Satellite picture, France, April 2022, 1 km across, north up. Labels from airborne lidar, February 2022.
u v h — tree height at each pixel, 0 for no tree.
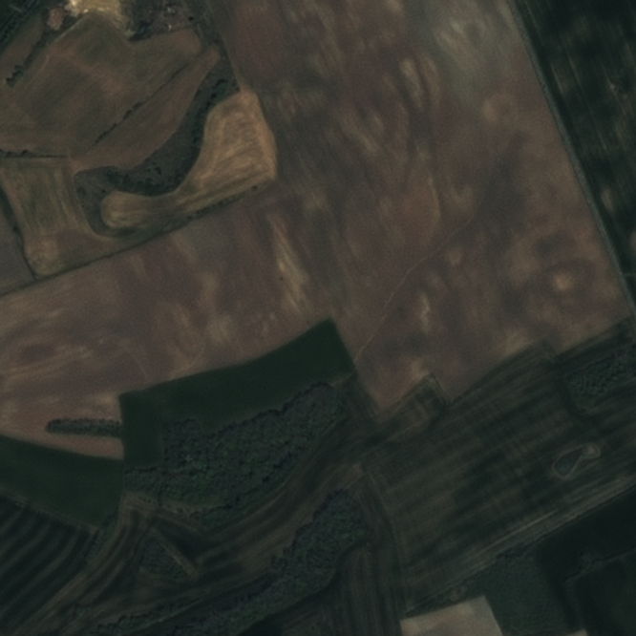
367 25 0
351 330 0
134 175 0
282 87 0
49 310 0
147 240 0
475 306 0
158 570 12
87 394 0
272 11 0
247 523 0
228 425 0
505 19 0
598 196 0
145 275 0
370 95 0
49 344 0
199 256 0
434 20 0
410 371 0
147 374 0
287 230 0
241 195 0
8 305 0
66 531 0
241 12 0
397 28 0
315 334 0
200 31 0
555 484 0
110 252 0
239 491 19
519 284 0
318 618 0
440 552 0
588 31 0
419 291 0
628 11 0
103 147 0
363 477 0
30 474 0
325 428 13
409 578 0
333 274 0
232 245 0
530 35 0
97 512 0
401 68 0
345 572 0
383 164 0
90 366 0
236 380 0
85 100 0
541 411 0
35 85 0
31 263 0
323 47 0
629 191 0
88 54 0
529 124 0
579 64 0
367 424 0
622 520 0
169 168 0
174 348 0
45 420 0
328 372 0
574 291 0
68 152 0
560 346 0
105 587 0
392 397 0
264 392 0
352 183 0
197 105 0
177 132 0
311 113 0
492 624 0
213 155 0
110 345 0
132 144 0
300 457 14
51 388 0
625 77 0
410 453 0
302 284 0
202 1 0
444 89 0
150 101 0
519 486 0
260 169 0
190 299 0
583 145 0
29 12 14
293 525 0
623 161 0
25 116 0
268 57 0
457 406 0
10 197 0
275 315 0
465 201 0
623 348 0
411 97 0
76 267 0
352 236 0
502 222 0
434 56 0
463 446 0
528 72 0
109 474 0
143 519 0
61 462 0
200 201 0
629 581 0
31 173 0
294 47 0
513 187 0
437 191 0
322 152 0
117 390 0
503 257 0
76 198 0
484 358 0
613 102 0
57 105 0
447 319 0
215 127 0
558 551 0
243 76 0
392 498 0
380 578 0
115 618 0
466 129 0
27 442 0
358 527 16
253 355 0
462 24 0
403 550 0
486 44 0
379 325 0
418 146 0
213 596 0
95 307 0
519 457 0
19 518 0
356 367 0
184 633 11
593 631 0
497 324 0
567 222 0
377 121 0
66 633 0
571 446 0
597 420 0
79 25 0
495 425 0
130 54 0
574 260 0
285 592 23
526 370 0
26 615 0
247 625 18
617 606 0
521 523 0
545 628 0
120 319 0
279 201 0
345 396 0
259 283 0
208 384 0
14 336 0
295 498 0
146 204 0
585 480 0
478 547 0
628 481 0
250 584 0
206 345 0
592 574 0
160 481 15
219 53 0
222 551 0
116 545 0
